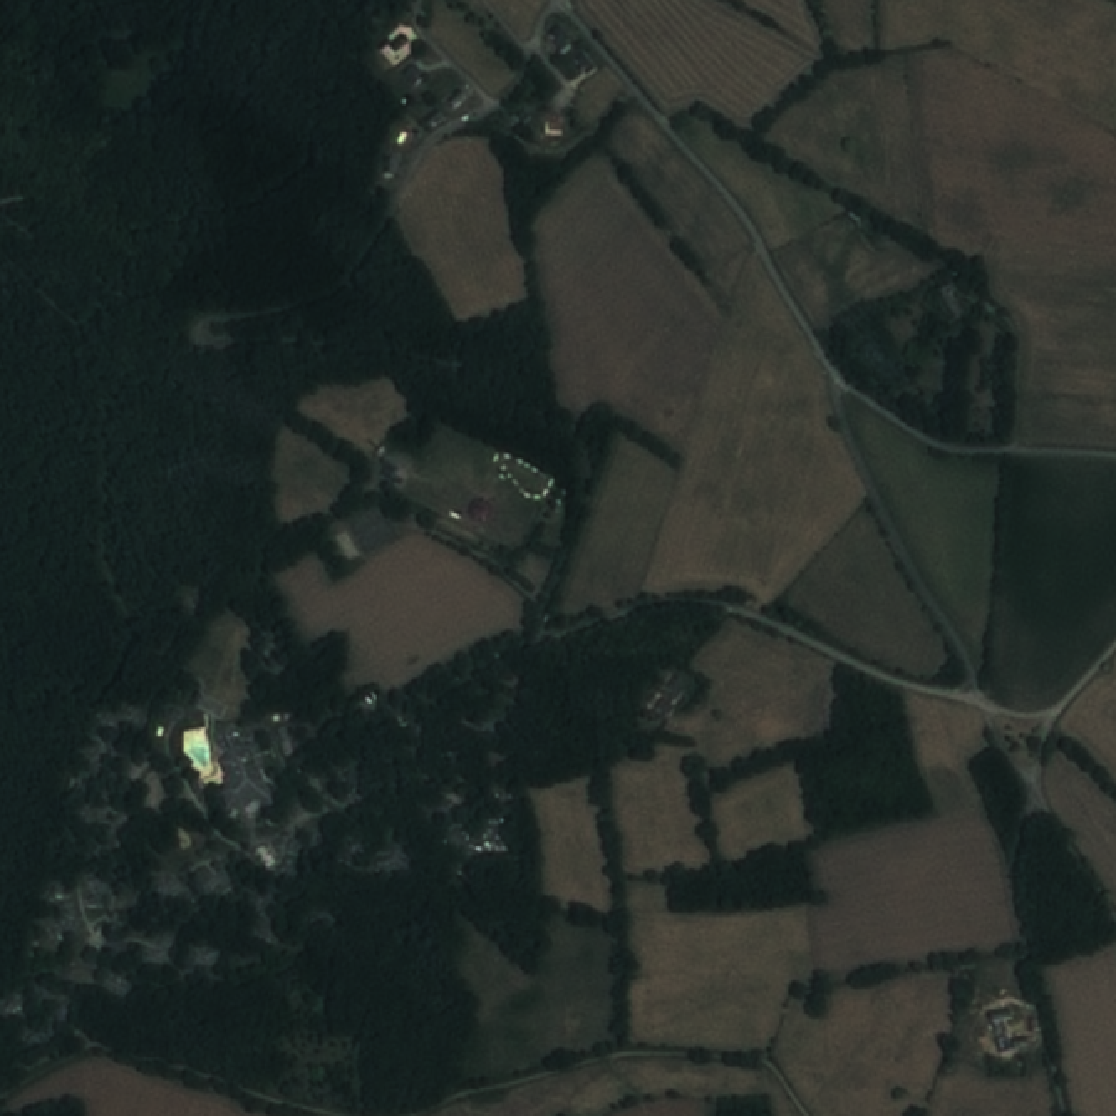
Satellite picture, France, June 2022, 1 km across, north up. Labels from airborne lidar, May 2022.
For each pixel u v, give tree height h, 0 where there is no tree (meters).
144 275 18
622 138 0
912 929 0
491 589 0
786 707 0
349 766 11
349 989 25
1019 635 0
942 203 0
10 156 13
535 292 11
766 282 0
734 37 0
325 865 21
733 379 0
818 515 0
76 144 14
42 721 17
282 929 14
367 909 24
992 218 0
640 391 0
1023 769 0
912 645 0
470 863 19
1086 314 0
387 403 0
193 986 14
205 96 13
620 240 0
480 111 0
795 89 14
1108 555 0
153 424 19
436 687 22
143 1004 19
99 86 12
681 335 0
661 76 0
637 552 0
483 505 0
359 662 0
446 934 14
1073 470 0
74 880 18
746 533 0
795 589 0
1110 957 0
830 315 0
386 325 20
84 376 19
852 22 0
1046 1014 15
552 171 10
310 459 0
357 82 21
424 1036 22
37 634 22
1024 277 0
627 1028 11
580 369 0
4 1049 19
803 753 16
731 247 0
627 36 0
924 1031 0
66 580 16
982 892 0
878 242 0
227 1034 17
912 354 10
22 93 18
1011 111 0
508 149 14
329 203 18
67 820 15
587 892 0
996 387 6
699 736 0
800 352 0
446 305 13
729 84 0
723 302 0
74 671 19
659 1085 0
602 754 18
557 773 16
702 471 0
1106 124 0
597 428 9
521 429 14
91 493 18
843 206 12
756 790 0
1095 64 0
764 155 16
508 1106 0
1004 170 0
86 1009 17
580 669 18
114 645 23
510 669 20
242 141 13
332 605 0
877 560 0
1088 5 0
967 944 0
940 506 0
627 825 0
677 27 0
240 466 24
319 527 12
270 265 14
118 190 23
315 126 22
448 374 14
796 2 0
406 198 0
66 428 16
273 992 19
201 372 20
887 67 0
